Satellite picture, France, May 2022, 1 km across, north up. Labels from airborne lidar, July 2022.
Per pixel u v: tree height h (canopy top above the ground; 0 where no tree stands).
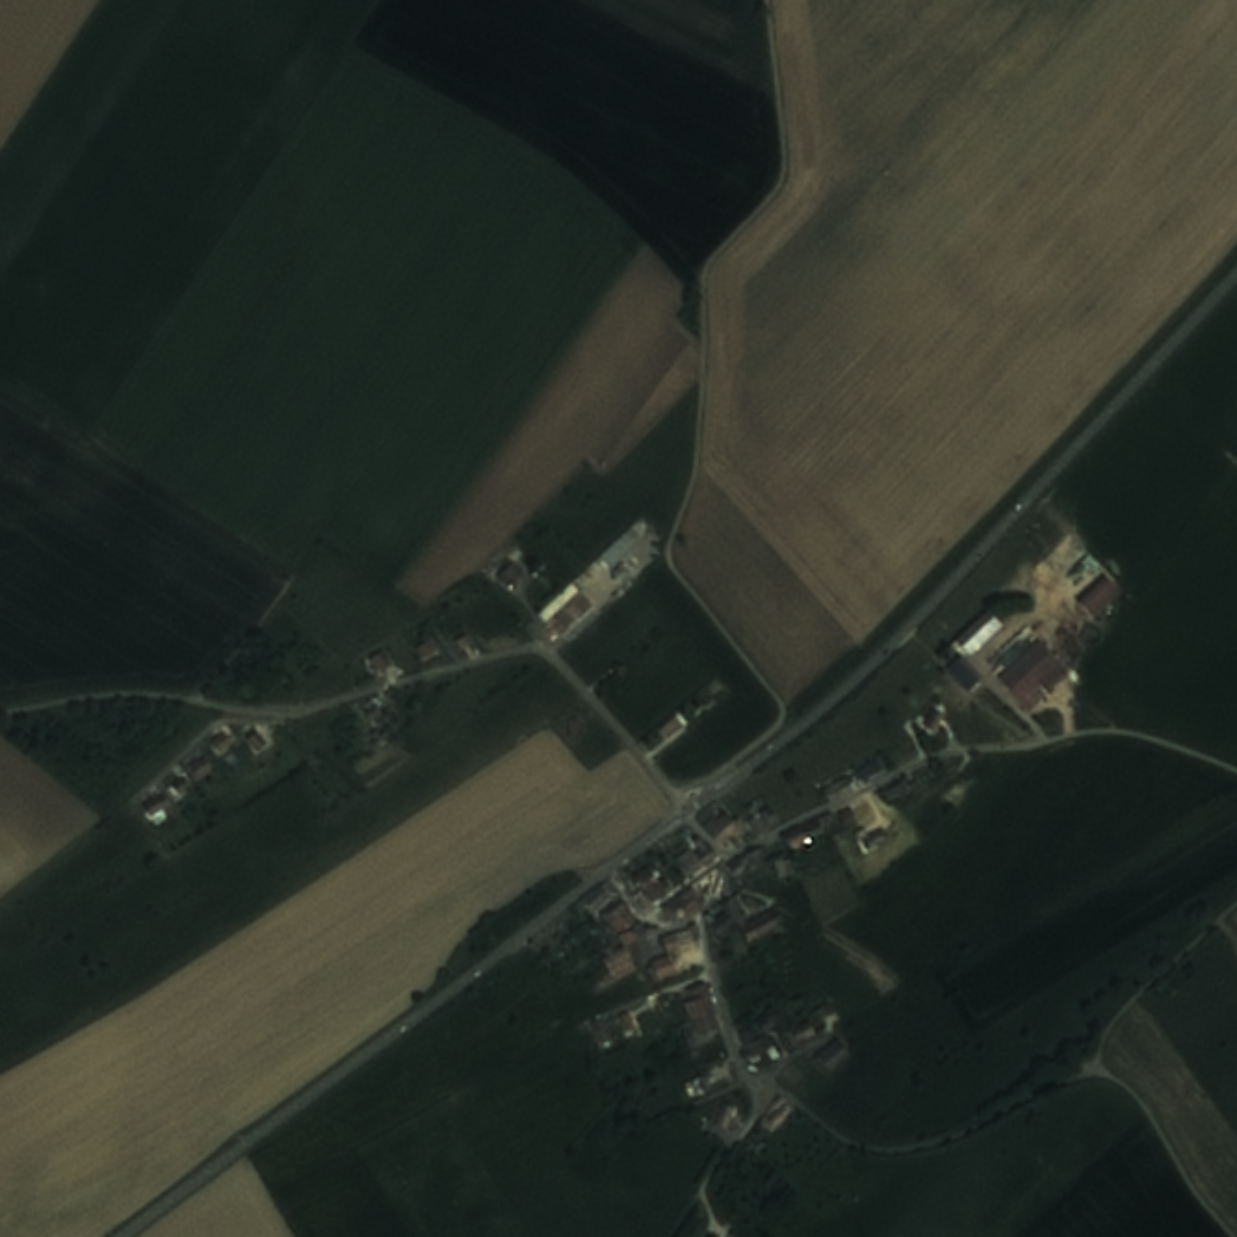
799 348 0
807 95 0
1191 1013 0
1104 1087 0
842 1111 0
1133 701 0
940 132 0
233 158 0
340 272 0
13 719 10
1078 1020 0
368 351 0
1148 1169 0
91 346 0
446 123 0
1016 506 0
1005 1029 0
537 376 0
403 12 0
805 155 0
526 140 0
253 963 0
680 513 0
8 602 0
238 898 0
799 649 0
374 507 0
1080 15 0
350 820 0
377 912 0
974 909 0
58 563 0
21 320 0
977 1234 0
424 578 0
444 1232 0
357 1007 0
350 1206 0
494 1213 0
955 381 0
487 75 0
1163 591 0
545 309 0
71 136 0
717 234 0
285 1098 0
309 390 0
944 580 0
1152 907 0
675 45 0
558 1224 0
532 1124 0
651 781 0
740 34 0
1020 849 0
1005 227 0
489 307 0
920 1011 0
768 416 0
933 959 0
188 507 0
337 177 0
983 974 0
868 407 0
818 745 0
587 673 0
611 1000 0
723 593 0
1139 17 0
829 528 0
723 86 0
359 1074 0
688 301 12
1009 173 0
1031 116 0
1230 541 0
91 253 0
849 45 0
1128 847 0
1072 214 0
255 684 17
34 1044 0
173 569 0
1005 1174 0
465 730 0
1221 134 0
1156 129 0
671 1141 0
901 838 0
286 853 0
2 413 0
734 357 0
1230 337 0
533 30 0
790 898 0
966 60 0
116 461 0
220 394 0
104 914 0
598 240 0
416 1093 0
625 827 0
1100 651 0
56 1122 0
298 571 0
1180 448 0
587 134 0
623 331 0
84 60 0
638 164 0
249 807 6
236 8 0
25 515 0
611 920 0
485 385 0
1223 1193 0
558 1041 0
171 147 0
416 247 0
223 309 0
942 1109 0
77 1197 0
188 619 0
